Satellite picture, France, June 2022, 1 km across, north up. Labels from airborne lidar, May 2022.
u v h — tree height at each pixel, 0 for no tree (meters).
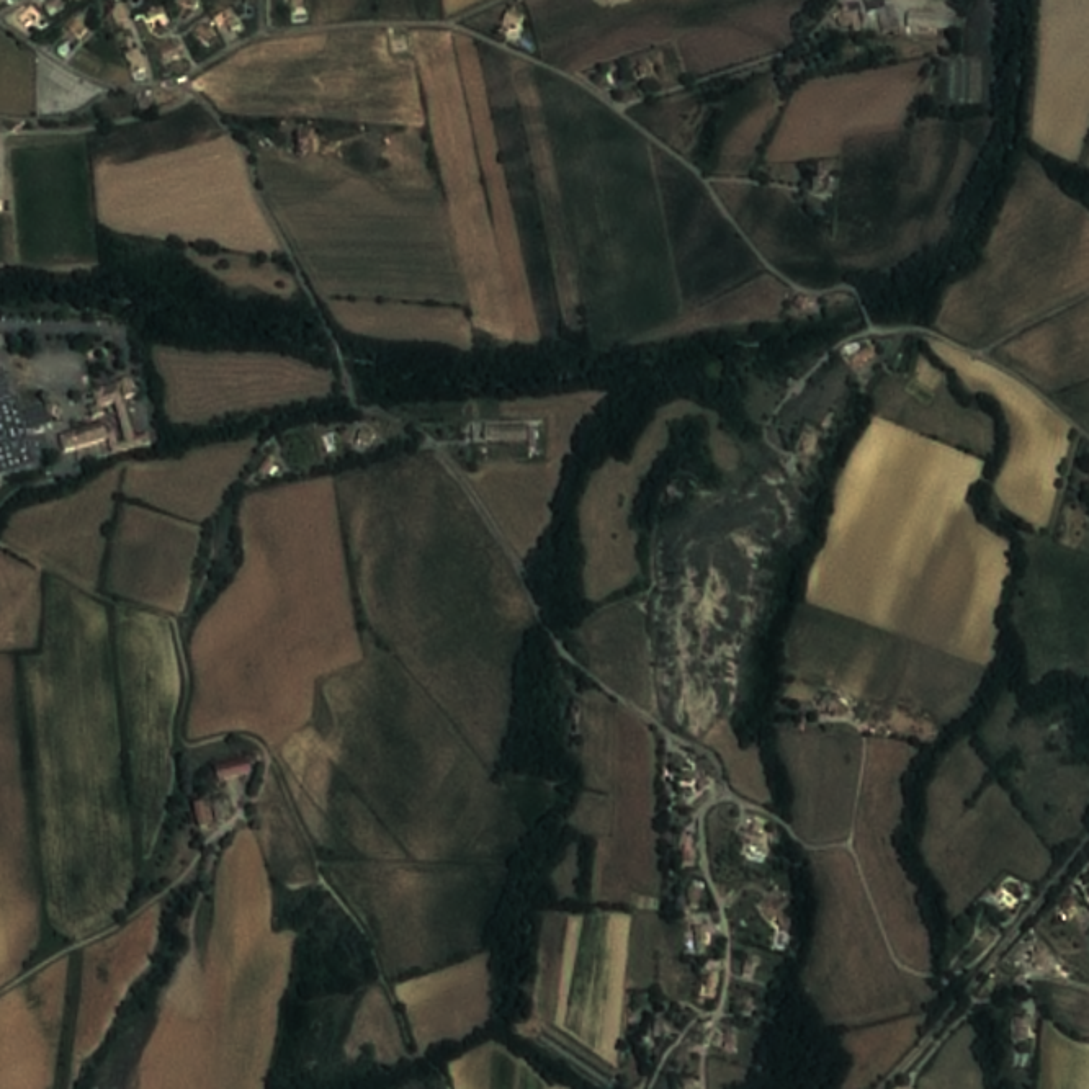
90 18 7
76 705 0
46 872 0
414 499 0
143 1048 0
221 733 0
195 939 0
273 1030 0
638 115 0
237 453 0
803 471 7
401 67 0
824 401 0
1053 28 0
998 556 0
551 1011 0
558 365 12
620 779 0
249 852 0
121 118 0
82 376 0
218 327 19
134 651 0
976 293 0
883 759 0
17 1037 0
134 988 9
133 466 0
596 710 0
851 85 0
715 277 0
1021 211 0
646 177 0
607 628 0
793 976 15
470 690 0
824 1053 13
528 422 0
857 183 0
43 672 0
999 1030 7
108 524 10
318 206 0
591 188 0
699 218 0
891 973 0
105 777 0
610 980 0
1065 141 0
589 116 0
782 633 7
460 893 0
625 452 7
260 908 0
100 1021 0
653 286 0
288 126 0
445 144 0
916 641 0
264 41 0
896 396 0
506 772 8
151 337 6
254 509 0
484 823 0
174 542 0
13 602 0
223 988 0
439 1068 9
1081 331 0
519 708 14
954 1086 0
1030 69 13
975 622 0
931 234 0
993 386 0
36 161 0
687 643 0
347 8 0
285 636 0
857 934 0
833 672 0
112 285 26
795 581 13
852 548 0
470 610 0
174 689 0
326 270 0
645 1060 11
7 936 0
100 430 0
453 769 0
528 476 0
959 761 0
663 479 17
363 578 0
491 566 0
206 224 0
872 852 0
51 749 0
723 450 0
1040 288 0
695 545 0
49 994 0
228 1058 0
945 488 0
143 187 0
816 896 11
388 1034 0
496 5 0
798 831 0
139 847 0
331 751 0
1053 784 0
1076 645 0
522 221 0
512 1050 7
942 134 0
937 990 9
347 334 9
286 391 0
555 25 0
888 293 11
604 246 0
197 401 0
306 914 6
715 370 7
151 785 0
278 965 0
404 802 0
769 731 10
